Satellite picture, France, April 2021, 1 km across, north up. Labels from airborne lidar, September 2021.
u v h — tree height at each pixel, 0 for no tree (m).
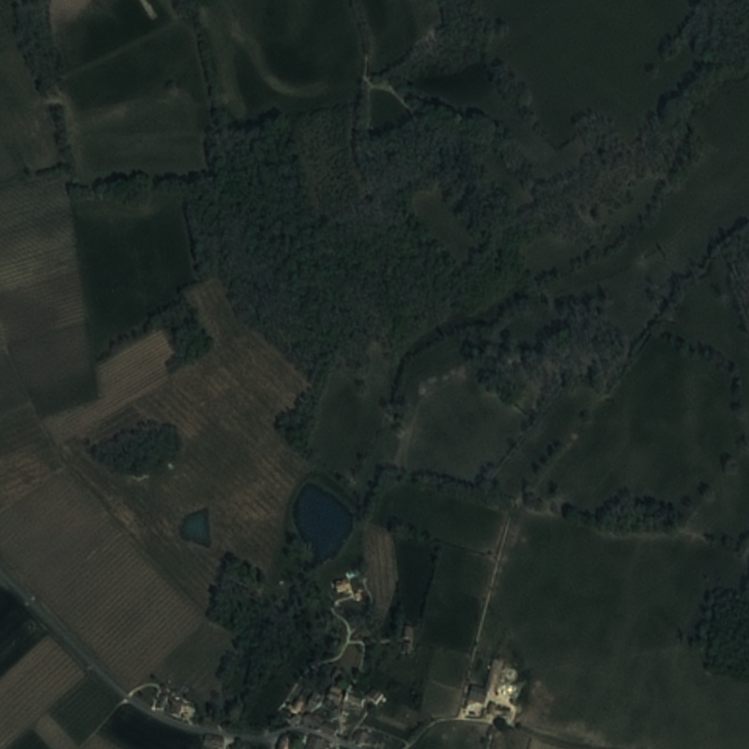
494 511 12
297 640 21
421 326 21
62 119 13
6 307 0
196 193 24
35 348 0
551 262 0
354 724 0
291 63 0
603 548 0
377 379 0
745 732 0
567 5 0
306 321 23
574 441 0
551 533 0
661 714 0
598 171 18
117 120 0
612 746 0
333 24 0
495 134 17
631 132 0
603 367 12
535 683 0
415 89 17
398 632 14
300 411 17
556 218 22
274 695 0
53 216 0
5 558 0
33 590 0
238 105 0
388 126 0
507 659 0
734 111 0
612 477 0
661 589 0
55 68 10
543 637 0
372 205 18
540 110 0
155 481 0
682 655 0
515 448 17
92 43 0
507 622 0
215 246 21
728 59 22
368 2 0
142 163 0
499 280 23
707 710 0
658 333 11
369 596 15
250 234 25
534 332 0
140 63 0
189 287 10
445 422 0
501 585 0
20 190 0
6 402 0
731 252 21
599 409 0
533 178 7
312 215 22
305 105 0
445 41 18
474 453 0
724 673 12
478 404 0
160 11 0
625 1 0
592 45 0
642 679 0
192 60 0
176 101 0
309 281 22
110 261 0
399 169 17
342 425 0
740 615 11
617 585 0
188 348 10
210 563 0
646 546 0
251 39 0
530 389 14
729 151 0
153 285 0
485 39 19
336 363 22
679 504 0
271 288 23
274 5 0
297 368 21
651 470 0
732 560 0
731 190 0
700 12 25
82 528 0
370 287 23
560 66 0
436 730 0
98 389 0
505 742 0
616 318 0
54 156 0
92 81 0
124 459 14
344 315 21
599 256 16
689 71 0
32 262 0
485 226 18
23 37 14
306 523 0
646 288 0
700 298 0
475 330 11
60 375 0
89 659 0
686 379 0
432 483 17
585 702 0
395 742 0
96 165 0
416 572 0
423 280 20
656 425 0
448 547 0
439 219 0
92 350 0
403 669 0
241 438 0
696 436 0
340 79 0
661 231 0
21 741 0
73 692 0
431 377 0
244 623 22
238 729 19
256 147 27
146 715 0
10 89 0
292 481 0
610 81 0
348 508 0
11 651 0
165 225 0
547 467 16
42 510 0
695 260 0
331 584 0
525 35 0
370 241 21
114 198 20
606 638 0
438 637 0
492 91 0
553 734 0
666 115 22
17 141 0
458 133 20
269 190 27
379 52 0
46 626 0
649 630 0
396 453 0
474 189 18
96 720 0
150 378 0
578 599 0
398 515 0
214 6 0
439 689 0
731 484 0
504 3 0
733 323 0
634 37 0
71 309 0
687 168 26
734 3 28
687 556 0
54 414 0
